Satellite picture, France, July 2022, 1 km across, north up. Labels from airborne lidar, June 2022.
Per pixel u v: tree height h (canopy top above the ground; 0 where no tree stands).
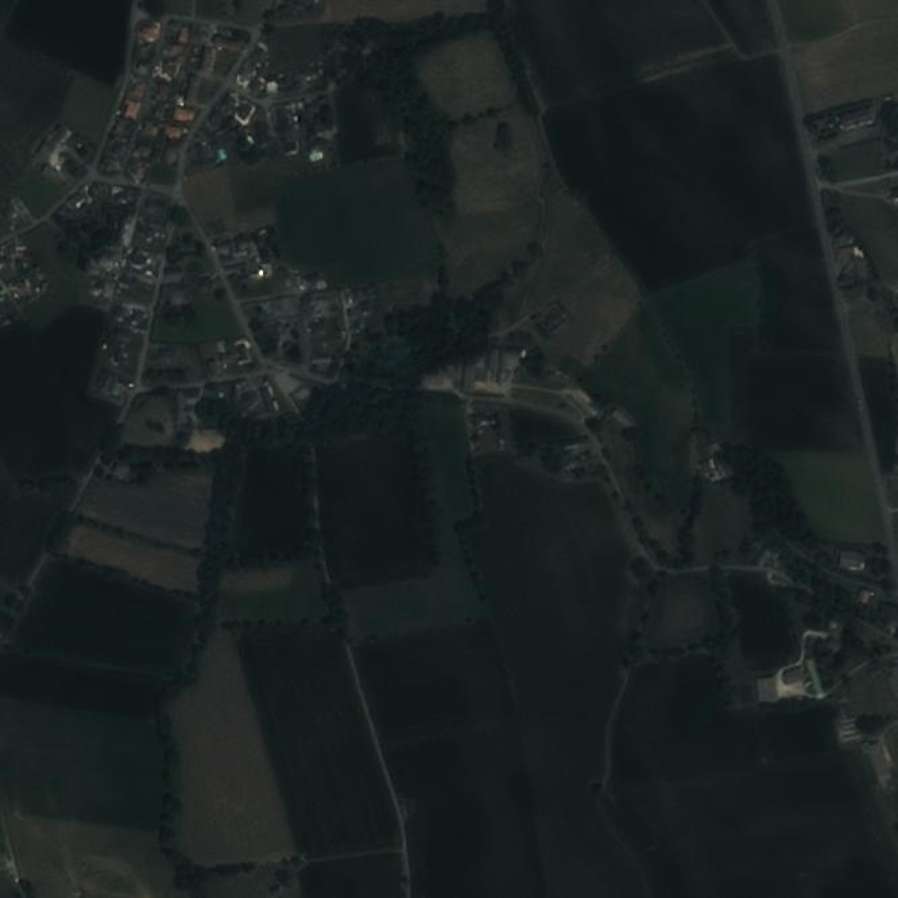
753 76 0
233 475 18
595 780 0
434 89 0
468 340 18
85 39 0
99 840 0
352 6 0
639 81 0
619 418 0
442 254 6
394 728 0
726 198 0
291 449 14
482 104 0
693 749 0
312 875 0
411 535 0
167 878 0
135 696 0
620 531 0
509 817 0
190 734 0
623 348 0
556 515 0
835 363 0
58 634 0
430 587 0
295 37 0
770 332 0
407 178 0
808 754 0
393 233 0
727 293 0
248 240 6
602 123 0
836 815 0
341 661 0
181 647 0
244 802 0
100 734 0
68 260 8
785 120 0
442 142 7
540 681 0
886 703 0
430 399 18
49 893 0
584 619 0
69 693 0
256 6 0
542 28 0
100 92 0
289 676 0
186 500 0
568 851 0
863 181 0
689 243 0
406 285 0
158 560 0
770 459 14
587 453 7
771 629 0
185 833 0
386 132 0
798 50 0
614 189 0
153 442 0
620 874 0
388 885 0
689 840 0
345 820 0
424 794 0
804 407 0
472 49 0
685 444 0
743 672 0
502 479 0
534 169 0
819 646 10
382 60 20
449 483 0
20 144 0
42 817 0
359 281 0
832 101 0
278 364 0
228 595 0
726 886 0
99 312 0
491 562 0
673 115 0
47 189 0
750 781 0
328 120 16
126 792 0
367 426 26
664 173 0
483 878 0
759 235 0
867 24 0
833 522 0
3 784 0
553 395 0
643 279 0
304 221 0
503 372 0
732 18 0
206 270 0
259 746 0
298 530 0
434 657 0
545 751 0
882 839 0
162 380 11
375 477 0
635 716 0
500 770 0
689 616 0
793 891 0
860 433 0
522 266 15
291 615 0
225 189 0
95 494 0
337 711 0
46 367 0
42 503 0
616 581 0
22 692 0
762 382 0
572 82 0
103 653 0
